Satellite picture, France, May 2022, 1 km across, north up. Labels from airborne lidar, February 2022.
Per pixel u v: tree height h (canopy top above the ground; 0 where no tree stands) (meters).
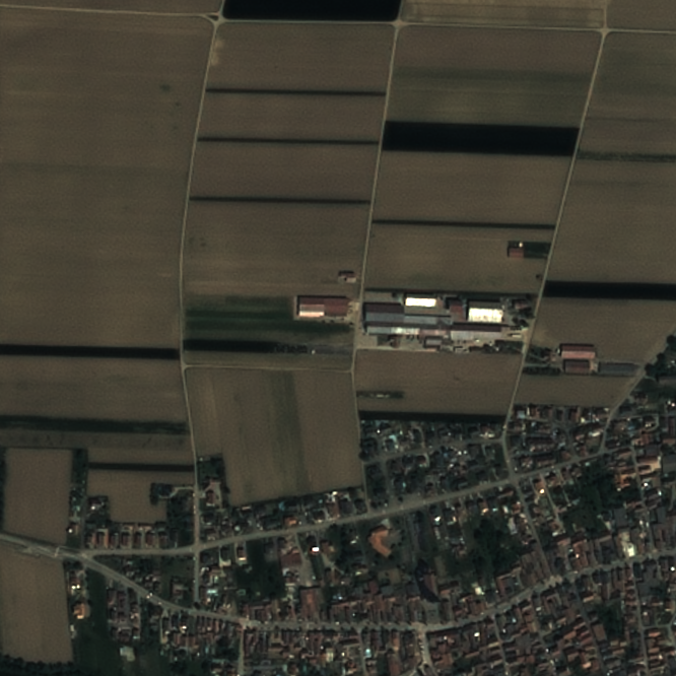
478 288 0
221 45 0
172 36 0
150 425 0
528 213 0
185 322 0
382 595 0
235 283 0
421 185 0
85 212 0
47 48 0
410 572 0
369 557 0
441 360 0
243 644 0
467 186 0
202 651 0
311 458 0
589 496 0
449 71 0
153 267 0
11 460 0
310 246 0
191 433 0
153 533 0
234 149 0
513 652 0
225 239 0
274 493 0
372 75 0
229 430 0
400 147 0
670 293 0
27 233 0
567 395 0
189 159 0
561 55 0
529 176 0
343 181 0
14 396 0
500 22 0
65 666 10
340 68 0
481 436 0
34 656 0
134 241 0
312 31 0
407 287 0
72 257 0
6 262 0
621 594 0
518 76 0
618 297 0
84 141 0
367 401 0
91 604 13
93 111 0
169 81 0
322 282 0
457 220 0
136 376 0
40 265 0
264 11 0
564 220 0
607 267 0
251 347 0
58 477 0
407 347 0
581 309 0
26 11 0
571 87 0
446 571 0
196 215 0
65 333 0
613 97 0
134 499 0
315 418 0
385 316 0
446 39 0
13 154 0
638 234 0
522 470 0
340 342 0
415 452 0
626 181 0
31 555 0
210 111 0
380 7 0
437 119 0
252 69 0
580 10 0
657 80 0
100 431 0
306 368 0
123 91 0
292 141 0
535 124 0
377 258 0
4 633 0
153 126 0
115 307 0
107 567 0
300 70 0
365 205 0
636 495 8
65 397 0
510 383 0
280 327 0
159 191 0
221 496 0
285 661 0
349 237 0
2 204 0
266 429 0
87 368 0
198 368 0
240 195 0
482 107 0
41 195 0
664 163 0
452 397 0
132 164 0
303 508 0
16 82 0
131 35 0
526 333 0
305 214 0
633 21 0
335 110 0
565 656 0
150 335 0
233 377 0
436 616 0
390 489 0
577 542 0
